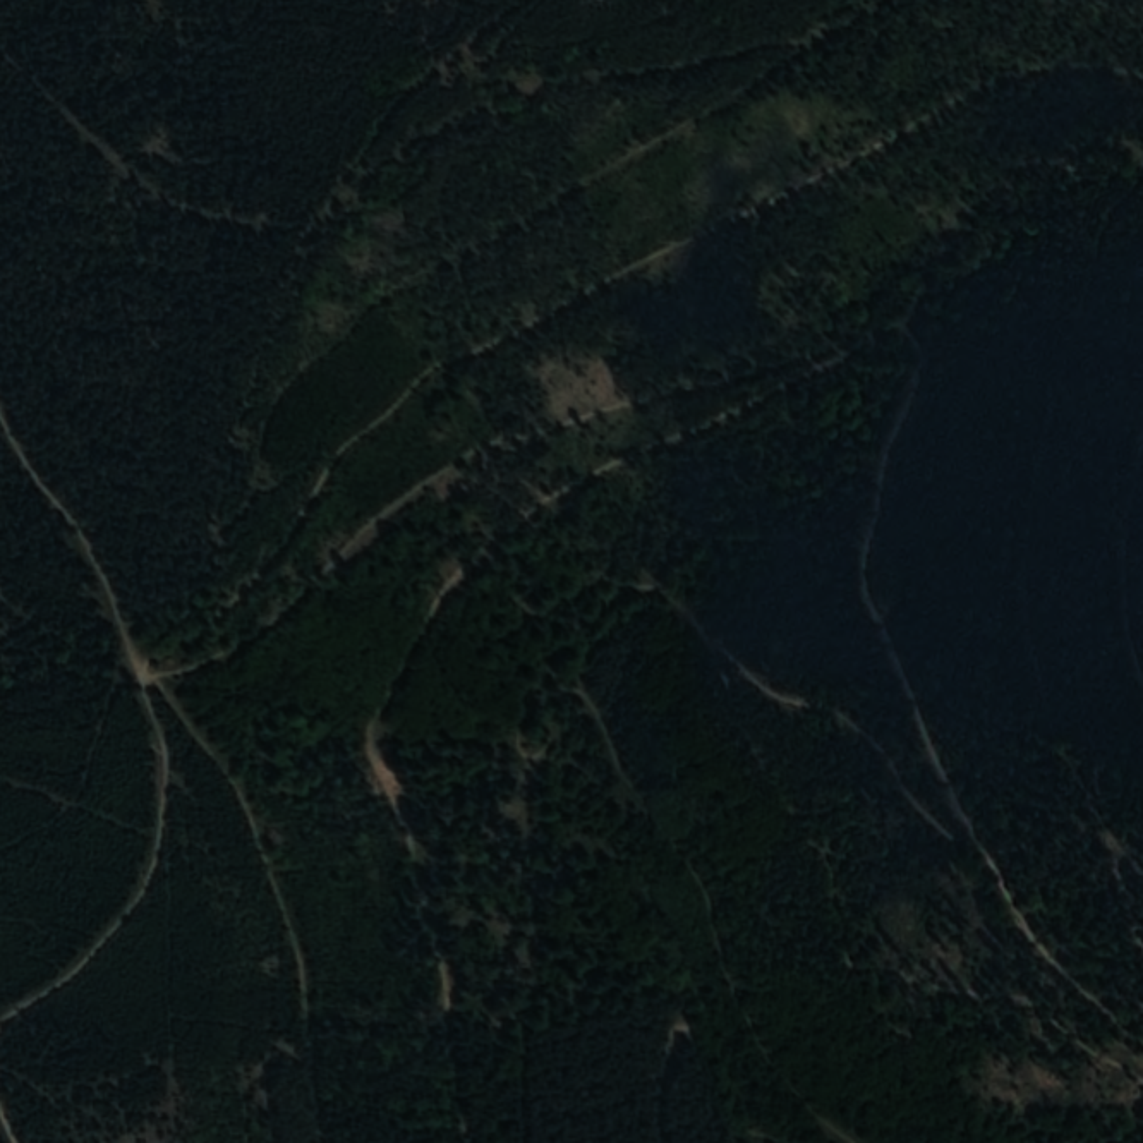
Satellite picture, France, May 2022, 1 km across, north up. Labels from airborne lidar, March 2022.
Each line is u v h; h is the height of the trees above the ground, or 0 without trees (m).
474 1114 24
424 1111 27
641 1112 26
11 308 31
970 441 10
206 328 30
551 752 10
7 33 14
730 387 25
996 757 32
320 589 13
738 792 19
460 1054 29
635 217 0
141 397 24
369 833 29
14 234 31
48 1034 11
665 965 26
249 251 23
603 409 0
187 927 7
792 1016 12
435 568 7
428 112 12
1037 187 31
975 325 10
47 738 6
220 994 7
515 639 21
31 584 14
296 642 11
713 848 21
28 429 22
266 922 6
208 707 13
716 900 8
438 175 21
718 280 32
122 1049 10
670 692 19
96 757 5
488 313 15
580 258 28
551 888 42
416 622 13
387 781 0
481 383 24
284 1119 22
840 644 10
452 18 6
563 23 19
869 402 38
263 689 13
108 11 30
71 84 24
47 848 9
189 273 26
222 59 31
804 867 19
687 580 23
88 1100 11
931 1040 19
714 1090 18
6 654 13
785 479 17
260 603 9
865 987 16
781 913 19
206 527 8
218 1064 9
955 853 18
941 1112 11
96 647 14
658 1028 21
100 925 11
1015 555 11
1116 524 24
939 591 8
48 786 7
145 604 28
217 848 9
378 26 14
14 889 9
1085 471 28
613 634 17
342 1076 29
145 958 8
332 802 31
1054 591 11
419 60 7
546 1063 27
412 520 13
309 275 22
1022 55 16
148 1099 11
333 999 6
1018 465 8
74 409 25
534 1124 27
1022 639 14
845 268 16
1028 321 7
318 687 17
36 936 9
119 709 10
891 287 18
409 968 10
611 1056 29
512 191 22
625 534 17
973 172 33
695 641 18
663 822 17
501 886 15
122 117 10
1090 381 31
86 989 7
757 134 0
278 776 29
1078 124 26
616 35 19
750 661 15
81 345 31
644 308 15
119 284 26
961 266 38
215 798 12
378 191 17
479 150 18
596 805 12
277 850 21
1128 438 12
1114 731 21
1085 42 29
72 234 23
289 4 14
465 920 0
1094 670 28
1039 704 16
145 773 9
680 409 22
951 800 0
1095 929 31
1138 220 7
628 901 17
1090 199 12
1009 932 13
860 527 7
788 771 19
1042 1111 15
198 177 17
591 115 30
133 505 26
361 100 14
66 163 24
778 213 17
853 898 16
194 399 30
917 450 12
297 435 6
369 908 7
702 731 18
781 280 34
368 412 7
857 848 13
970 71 18
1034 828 31
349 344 9
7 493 11
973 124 33
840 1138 0
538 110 22
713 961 9
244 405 14
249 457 7
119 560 30
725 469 13
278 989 10
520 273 28
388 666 10
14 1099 26
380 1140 23
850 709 10
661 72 14
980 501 10
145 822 7
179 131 30
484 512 25
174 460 29
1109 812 13
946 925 0
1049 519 16
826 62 14
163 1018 7
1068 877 28
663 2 15
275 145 12
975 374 10
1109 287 11
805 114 0
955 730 35
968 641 11
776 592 16
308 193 16
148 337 26
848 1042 13
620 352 24
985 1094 0
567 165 27
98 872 11
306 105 9
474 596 13
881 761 35
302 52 12
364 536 0
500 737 9
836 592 28
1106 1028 17
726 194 0
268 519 13
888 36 33
